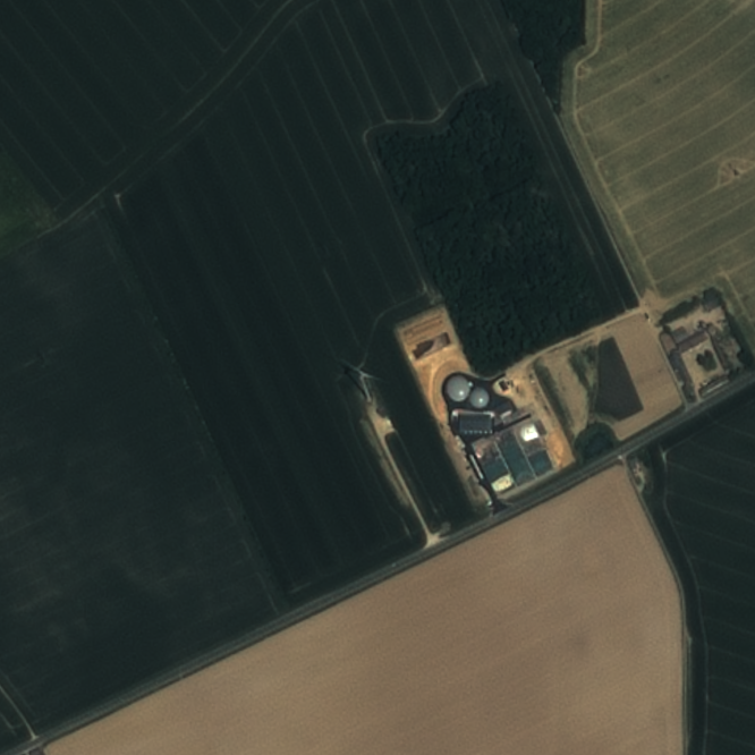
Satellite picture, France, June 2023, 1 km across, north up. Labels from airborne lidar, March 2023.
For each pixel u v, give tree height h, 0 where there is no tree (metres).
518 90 0
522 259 15
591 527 0
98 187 0
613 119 0
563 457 0
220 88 0
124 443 0
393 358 0
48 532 0
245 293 0
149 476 0
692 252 0
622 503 0
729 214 0
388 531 0
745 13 0
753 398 0
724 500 0
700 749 0
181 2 0
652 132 0
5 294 0
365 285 0
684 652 0
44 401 0
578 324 18
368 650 0
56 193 0
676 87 0
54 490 0
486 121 22
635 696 0
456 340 0
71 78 0
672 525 0
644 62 0
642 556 0
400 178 17
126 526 0
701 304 14
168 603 0
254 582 0
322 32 0
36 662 0
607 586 0
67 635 0
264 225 0
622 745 0
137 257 0
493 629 0
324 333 0
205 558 0
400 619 0
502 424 0
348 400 0
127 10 0
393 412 0
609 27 0
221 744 0
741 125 0
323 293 0
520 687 0
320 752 0
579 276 19
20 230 0
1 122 0
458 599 0
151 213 0
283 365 0
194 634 0
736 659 0
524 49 14
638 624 0
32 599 0
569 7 15
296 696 0
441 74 0
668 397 0
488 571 0
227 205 0
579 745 0
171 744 0
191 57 0
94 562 0
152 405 0
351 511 0
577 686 0
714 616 0
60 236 0
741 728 0
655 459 0
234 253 0
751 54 0
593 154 0
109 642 0
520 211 23
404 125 0
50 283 0
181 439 0
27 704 0
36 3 0
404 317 0
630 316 0
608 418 0
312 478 0
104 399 0
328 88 0
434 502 0
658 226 0
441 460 0
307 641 0
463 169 23
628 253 0
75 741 0
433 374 0
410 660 0
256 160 0
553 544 0
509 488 0
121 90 0
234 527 0
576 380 0
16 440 0
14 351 0
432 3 0
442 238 24
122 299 0
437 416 0
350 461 0
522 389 0
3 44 0
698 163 0
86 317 0
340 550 0
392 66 0
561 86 11
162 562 0
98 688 0
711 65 0
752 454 0
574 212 0
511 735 0
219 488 0
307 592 0
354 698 0
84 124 0
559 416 0
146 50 0
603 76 0
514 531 0
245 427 0
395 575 0
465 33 0
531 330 26
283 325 0
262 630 0
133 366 0
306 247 0
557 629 0
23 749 0
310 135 0
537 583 0
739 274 0
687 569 0
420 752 0
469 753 0
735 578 0
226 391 0
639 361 0
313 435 0
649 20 0
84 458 0
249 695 0
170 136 0
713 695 0
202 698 0
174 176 0
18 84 0
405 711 0
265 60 0
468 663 0
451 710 0
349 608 0
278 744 0
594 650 0
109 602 0
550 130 0
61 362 0
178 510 0
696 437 0
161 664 0
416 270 0
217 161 0
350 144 0
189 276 0
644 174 0
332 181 0
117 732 0
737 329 16
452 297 17
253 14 0
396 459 0
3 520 0
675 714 0
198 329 0
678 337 0
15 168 0
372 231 0
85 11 0
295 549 0
